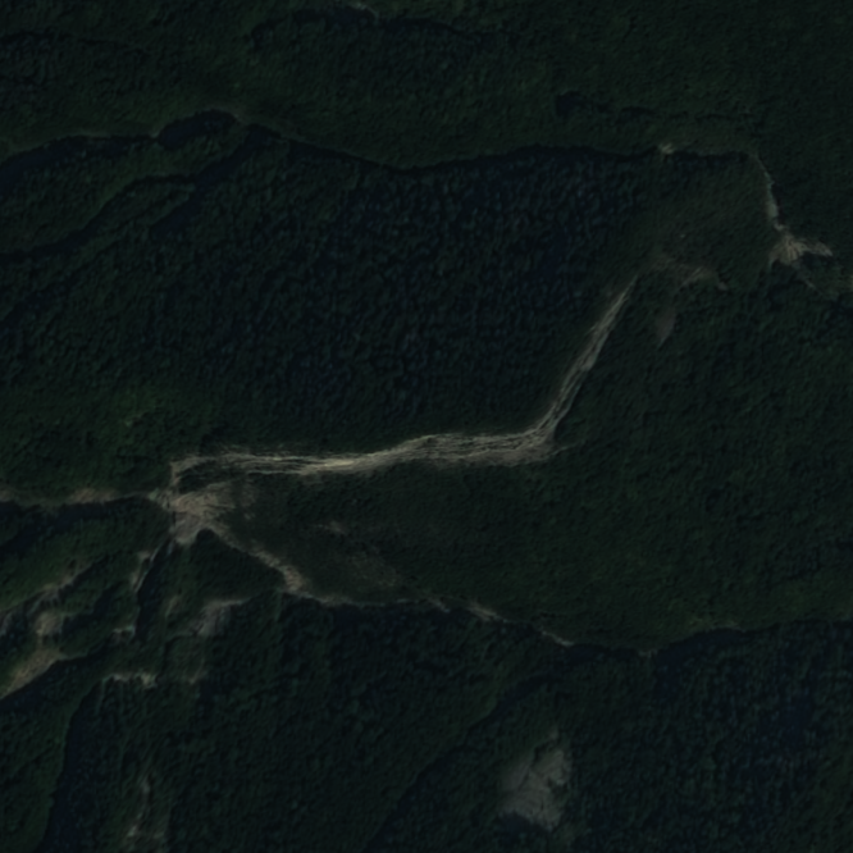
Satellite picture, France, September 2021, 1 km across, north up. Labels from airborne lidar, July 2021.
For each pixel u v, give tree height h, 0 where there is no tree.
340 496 20
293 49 26
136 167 16
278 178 29
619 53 24
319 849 24
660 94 19
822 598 27
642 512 28
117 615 11
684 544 28
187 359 29
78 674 15
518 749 18
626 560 24
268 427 15
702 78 19
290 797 28
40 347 18
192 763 27
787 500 27
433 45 34
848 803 25
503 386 20
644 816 31
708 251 24
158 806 16
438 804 25
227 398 20
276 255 22
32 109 30
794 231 14
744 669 18
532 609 24
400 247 31
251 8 31
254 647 11
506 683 12
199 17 30
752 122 29
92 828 13
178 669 6
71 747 8
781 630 20
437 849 24
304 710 29
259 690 21
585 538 26
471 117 27
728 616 27
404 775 26
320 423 24
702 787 31
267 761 21
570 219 27
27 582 18
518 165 25
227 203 26
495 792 15
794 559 18
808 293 22
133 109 20
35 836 16
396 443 19
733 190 15
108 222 8
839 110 20
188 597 10
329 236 29
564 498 19
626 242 17
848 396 24
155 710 23
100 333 23
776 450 31
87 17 30
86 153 12
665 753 32
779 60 21
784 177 21
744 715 11
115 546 21
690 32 22
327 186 30
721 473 30
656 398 19
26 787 25
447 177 23
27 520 28
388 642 22
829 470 23
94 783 15
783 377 27
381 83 28
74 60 27
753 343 27
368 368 27
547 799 0
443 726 27
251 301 32
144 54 13
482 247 25
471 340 24
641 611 22
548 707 17
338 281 37
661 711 27
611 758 31
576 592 25
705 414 28
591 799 15
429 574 26
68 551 17
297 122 21
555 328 22
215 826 27
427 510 17
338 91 23
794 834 28
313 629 20
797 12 20
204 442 10
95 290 23
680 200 17
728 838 22
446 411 22
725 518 29
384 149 25
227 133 27
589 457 29
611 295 11
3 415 27
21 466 24
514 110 25
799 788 28
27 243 5
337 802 23
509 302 25
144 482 26
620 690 29
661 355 18
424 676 31
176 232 18
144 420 11
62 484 25
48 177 18
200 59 26
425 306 27
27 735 23
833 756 25
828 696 21
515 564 27
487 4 24
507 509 28
